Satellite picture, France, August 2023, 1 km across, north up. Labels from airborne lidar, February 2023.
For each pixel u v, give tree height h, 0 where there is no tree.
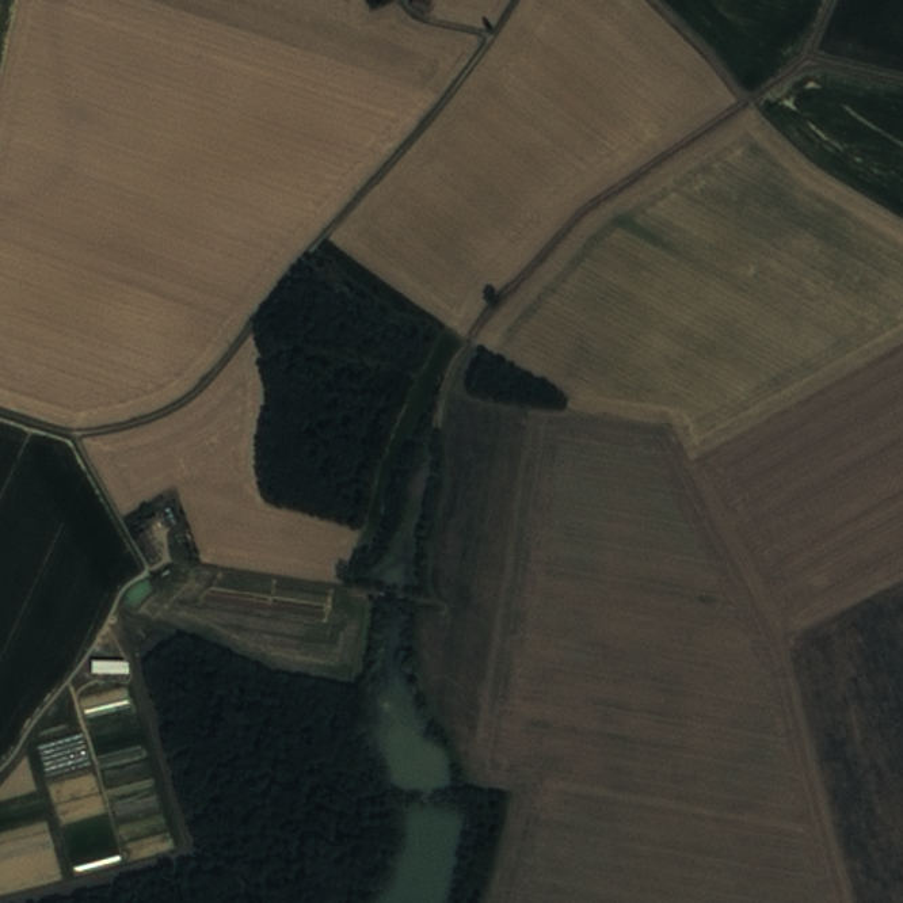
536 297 0
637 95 0
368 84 0
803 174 0
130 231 0
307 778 23
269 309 13
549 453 0
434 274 0
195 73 0
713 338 0
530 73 0
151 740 0
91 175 0
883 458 0
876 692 0
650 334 0
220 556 0
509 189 0
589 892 0
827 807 0
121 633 0
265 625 0
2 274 0
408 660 15
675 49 0
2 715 0
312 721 18
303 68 0
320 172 0
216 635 0
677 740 0
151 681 12
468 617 0
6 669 0
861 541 0
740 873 0
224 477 0
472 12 0
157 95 0
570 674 0
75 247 0
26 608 0
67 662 0
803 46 0
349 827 13
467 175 0
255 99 0
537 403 13
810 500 0
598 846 0
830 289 0
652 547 0
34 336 0
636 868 0
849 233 0
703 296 0
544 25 0
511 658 0
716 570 0
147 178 0
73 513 0
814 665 0
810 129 0
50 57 0
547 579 0
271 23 0
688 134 0
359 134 0
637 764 0
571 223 0
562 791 0
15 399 0
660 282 0
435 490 7
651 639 0
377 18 0
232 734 19
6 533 0
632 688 0
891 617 0
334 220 0
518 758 0
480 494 0
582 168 0
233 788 22
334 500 18
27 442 0
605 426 0
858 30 0
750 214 0
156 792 0
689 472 0
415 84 0
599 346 0
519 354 0
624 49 0
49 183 0
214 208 0
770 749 0
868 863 0
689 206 0
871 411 0
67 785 0
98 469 0
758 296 0
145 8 0
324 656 0
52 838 0
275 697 19
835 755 0
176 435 0
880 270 0
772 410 0
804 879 0
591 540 0
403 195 0
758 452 0
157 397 0
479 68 0
